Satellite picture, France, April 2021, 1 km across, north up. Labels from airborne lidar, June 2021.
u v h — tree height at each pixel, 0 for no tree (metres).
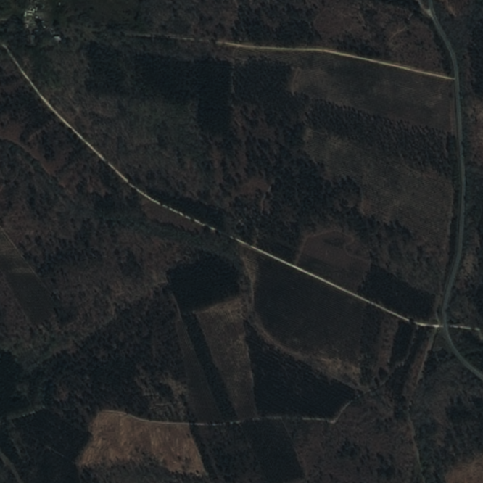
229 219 16
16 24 19
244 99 18
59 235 12
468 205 16
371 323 12
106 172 10
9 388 15
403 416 15
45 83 11
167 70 16
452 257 7
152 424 0
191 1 16
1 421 16
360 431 6
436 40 6
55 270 8
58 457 8
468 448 21
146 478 17
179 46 16
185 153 15
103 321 11
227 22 10
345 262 0
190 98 16
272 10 11
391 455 7
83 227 16
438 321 0
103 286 13
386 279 10
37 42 20
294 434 10
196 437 16
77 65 17
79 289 12
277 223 23
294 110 18
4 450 14
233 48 0
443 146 18
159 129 18
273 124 17
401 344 10
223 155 19
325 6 14
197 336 14
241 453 8
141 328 12
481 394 16
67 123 0
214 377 14
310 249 0
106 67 22
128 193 9
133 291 14
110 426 0
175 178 11
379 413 17
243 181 24
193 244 13
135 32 14
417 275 10
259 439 11
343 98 0
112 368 13
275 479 10
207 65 19
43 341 15
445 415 13
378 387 15
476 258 6
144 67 18
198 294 15
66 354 14
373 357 9
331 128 18
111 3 0
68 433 8
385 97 0
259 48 0
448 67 6
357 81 0
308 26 19
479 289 9
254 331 7
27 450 6
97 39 9
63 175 10
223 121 22
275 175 20
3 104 9
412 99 0
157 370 14
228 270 16
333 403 7
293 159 16
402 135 15
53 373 9
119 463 10
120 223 9
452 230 10
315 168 21
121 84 19
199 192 11
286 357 7
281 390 6
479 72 17
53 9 0
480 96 17
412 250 12
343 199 8
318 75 0
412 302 10
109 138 14
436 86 0
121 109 15
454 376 10
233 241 11
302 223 18
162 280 13
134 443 0
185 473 8
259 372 8
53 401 14
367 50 12
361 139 15
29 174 10
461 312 18
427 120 0
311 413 7
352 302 0
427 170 20
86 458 0
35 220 12
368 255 9
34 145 8
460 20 13
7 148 11
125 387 13
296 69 0
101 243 11
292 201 20
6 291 6
